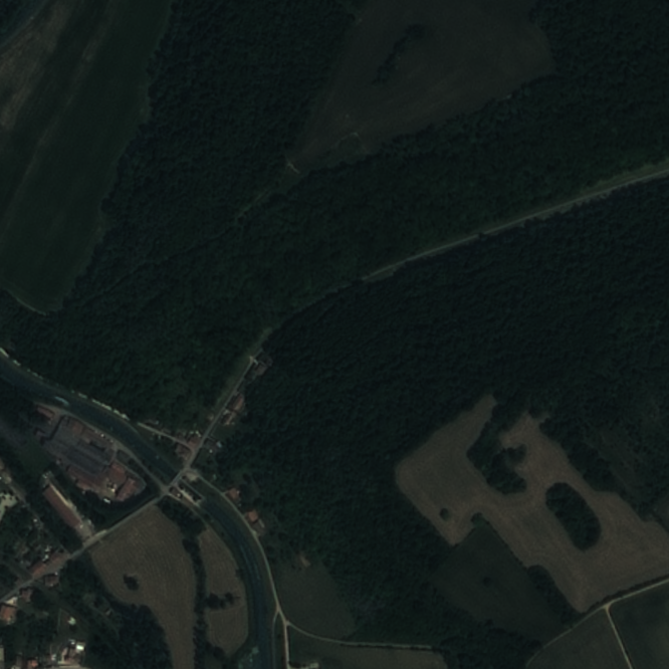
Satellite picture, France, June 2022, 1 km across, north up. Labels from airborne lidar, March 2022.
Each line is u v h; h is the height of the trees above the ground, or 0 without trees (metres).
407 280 12
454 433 0
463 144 16
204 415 0
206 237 8
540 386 17
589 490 0
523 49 0
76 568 15
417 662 0
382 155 10
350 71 0
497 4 0
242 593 0
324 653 0
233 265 14
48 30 0
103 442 0
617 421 16
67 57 0
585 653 0
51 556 0
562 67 11
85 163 0
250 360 0
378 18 0
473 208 10
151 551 0
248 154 13
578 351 18
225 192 10
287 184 0
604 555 0
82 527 0
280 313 23
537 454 0
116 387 19
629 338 10
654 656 0
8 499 0
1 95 0
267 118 15
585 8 17
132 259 16
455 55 0
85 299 14
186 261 8
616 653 0
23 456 0
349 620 0
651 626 0
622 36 16
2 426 0
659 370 11
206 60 21
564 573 0
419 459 0
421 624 6
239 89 8
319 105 0
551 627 0
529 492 0
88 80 0
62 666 0
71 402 0
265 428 11
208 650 22
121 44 0
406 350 19
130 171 21
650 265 16
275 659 0
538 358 16
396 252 19
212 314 21
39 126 0
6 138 0
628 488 0
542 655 0
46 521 17
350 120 0
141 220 11
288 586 0
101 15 0
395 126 0
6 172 0
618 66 18
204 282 9
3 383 20
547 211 0
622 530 0
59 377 14
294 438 15
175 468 0
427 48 0
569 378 17
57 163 0
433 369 13
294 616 0
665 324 14
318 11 16
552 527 0
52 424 0
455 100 0
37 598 18
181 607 0
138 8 0
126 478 0
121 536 0
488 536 0
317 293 16
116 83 0
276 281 21
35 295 0
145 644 21
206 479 0
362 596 14
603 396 13
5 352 0
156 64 17
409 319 12
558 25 18
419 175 17
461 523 0
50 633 8
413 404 11
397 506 17
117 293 10
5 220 0
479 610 0
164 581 0
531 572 6
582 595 0
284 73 15
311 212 20
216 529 0
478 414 0
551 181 7
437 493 0
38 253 0
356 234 21
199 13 9
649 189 10
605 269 18
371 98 0
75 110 0
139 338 14
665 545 0
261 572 0
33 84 0
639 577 0
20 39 0
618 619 0
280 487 8
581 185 12
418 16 0
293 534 7
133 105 0
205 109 14
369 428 14
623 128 14
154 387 15
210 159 9
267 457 9
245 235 14
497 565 0
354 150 0
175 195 14
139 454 0
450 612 9
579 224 18
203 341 16
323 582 0
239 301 21
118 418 0
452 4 0
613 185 0
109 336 15
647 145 20
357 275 10
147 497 13
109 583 0
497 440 0
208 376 15
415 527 12
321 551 14
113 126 0
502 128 16
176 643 0
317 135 0
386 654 0
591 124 17
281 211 9
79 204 0
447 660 11
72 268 0
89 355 12
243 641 0
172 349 12
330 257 9
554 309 15
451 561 0
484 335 14
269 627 0
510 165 13
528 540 0
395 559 19
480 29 0
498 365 18
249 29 8
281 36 19
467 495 0
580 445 14
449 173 15
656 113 16
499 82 0
